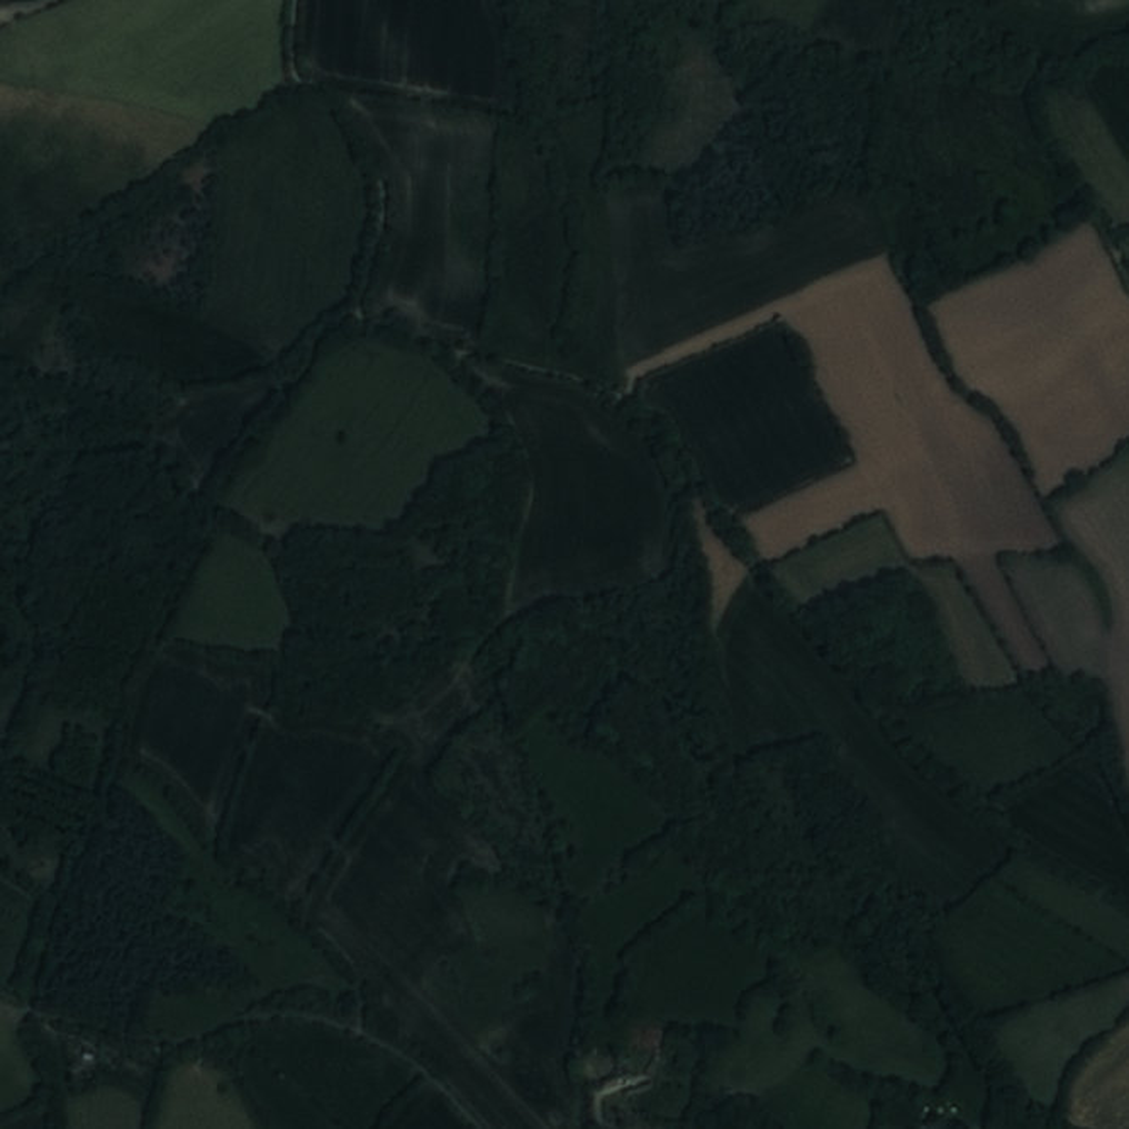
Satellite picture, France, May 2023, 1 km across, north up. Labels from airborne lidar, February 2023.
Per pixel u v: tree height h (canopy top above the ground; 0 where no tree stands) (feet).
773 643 0
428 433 0
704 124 0
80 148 0
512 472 57
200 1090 0
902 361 0
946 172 0
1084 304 0
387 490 0
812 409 0
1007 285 0
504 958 0
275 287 0
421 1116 0
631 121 37
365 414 0
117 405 55
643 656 32
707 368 0
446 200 0
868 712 39
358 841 0
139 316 0
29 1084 0
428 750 0
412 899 0
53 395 37
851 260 0
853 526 28
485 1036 0
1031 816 0
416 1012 0
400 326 51
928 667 49
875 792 0
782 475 0
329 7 0
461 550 27
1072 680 25
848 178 41
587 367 0
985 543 0
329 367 0
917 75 18
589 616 23
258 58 0
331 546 52
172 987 52
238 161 0
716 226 67
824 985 0
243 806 0
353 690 44
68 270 38
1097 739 56
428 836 0
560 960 0
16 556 23
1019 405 0
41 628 67
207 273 49
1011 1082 48
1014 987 0
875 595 59
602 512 0
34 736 0
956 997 42
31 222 0
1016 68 31
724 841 58
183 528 57
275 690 31
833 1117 0
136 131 0
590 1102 20
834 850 84
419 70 0
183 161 22
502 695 66
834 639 80
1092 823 0
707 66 0
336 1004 22
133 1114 0
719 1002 0
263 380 40
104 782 40
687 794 63
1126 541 0
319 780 0
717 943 0
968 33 33
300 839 0
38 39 0
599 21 22
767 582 64
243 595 0
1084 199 48
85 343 47
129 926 29
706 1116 37
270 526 0
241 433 23
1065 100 0
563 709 70
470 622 37
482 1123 0
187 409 0
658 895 0
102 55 0
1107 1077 0
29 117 0
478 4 0
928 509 0
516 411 0
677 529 31
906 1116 0
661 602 45
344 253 0
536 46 31
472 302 0
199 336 0
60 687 52
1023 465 35
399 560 31
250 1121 0
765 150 60
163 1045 27
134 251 0
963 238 41
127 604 52
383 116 0
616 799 0
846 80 40
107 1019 34
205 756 0
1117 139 0
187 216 54
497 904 0
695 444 0
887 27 0
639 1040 0
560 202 28
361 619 50
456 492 38
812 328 0
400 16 0
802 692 0
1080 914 0
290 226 0
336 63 0
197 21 0
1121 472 0
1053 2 0
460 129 0
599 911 0
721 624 0
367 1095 0
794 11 0
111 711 38
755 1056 0
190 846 0
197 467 0
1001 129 0
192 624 0
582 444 0
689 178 63
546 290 0
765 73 49
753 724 0
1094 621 0
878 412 0
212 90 0
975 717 0
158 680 0
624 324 0
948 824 0
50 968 36
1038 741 0
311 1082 0
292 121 0
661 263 0
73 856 47
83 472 65
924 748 23
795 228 0
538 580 0
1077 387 0
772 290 0
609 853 0
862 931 62
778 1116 0
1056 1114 37
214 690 0
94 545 71
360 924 0
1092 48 51
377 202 52
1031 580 0
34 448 18
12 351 0
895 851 0
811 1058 30
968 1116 0
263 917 0
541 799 30
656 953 0
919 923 51
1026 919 0
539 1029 0
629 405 47
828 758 37
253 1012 24
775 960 43
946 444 0
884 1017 0
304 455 0
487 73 0
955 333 0
